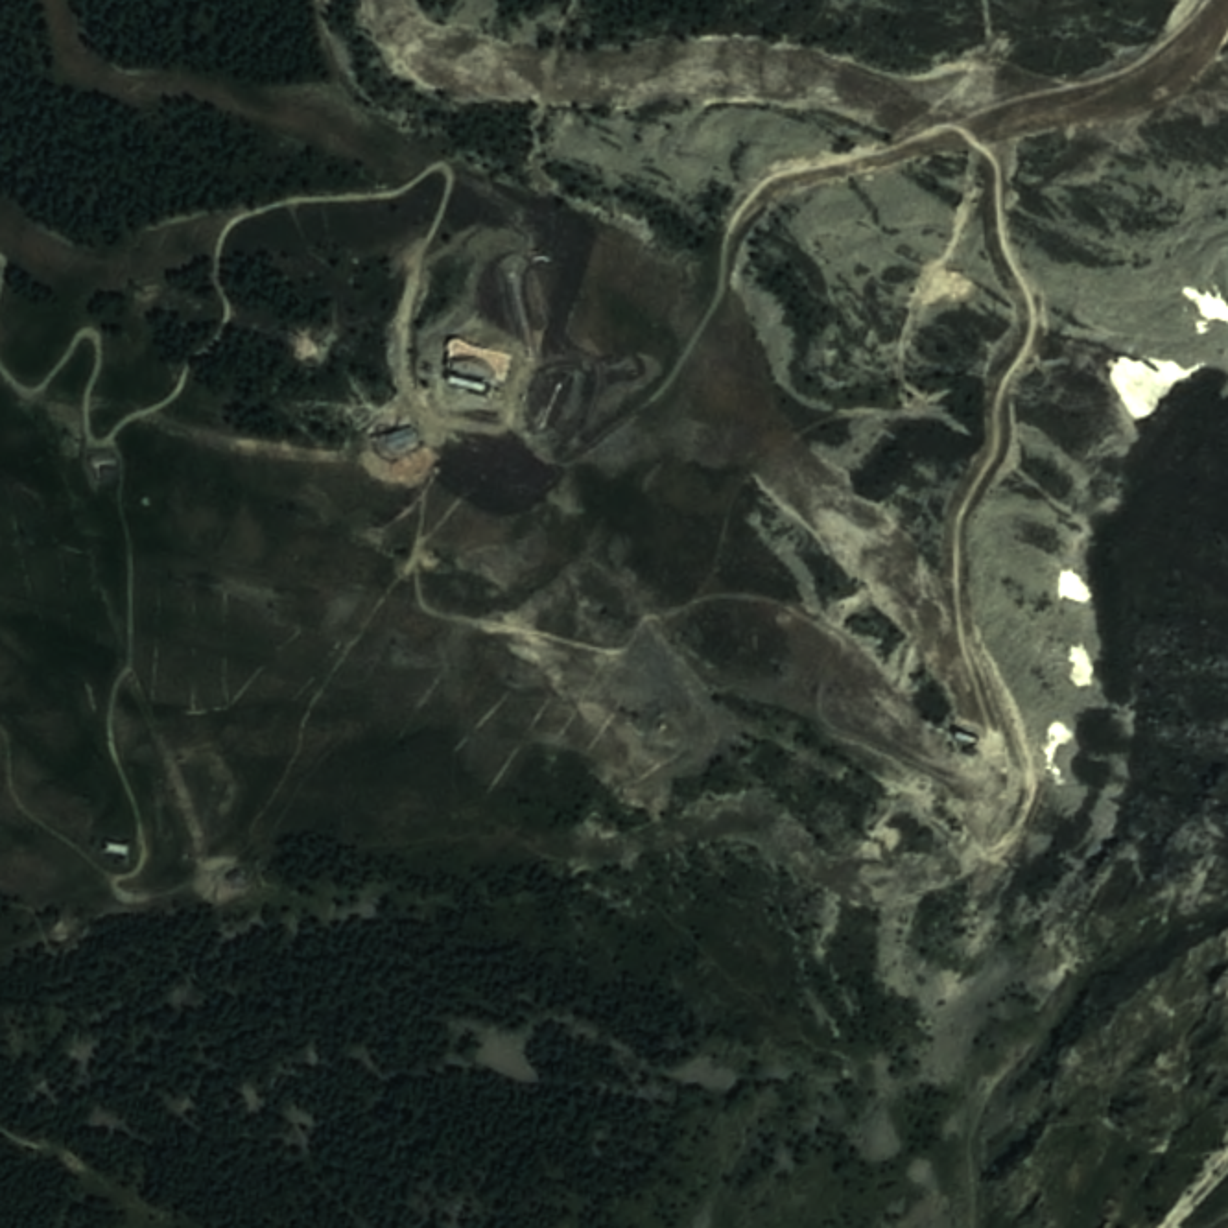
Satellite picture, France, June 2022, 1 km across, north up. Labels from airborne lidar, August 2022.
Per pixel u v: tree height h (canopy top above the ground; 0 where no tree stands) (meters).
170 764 0
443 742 0
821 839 9
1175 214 0
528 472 0
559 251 0
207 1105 19
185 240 0
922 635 0
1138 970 0
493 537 0
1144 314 0
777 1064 0
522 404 0
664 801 0
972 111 0
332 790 0
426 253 0
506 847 0
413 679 0
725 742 0
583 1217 17
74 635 0
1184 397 0
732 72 0
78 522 0
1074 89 0
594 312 0
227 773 0
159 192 15
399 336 0
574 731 0
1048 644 0
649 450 0
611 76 0
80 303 0
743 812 0
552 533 0
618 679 0
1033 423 0
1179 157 0
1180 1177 0
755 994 0
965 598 0
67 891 0
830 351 0
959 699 0
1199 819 0
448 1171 17
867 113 0
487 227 0
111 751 0
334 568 0
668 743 0
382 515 0
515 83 0
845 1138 14
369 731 0
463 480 0
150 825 0
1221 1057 0
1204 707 0
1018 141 0
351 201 0
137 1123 19
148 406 0
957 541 0
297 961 16
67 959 7
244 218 0
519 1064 0
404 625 0
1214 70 0
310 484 0
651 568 0
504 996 13
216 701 0
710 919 0
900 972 0
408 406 0
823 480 0
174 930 13
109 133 19
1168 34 0
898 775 0
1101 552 0
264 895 0
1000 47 0
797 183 0
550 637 0
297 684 0
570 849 0
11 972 10
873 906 0
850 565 0
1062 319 0
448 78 0
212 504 0
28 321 0
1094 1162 0
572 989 10
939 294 0
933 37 0
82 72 0
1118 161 0
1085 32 0
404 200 0
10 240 0
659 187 0
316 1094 19
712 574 0
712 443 0
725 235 0
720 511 0
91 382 0
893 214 0
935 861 0
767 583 0
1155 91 0
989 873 0
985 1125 0
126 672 0
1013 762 0
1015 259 0
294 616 0
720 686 0
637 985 9
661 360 0
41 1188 13
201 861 0
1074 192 0
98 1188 0
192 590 0
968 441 0
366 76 12
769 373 0
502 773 0
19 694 0
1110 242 0
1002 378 0
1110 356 0
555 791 0
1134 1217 0
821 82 0
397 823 0
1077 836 0
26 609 0
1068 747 0
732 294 0
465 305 0
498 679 0
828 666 0
